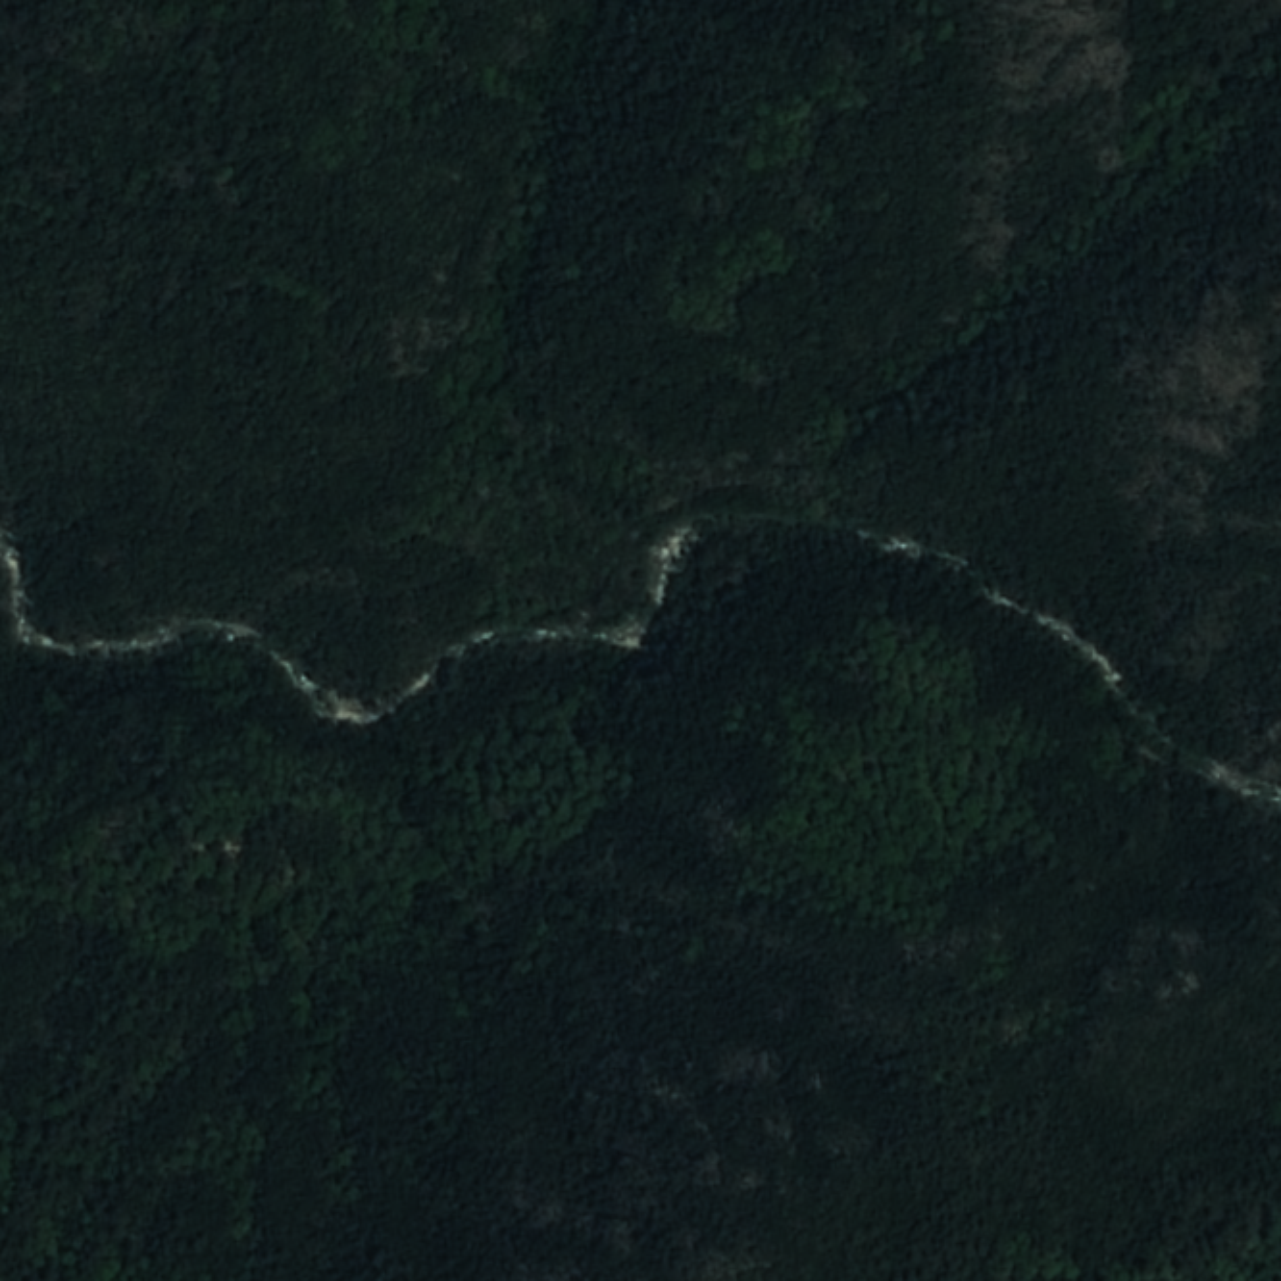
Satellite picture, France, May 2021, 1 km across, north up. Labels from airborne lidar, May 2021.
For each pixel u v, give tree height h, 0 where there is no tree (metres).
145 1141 12
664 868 10
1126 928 12
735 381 17
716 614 16
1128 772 17
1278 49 11
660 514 11
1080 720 11
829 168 19
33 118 14
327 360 9
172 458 14
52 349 11
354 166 10
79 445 9
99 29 11
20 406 8
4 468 10
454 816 18
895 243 16
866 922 10
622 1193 7
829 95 9
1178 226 9
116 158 8
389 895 22
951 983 7
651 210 12
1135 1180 12
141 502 18
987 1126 20
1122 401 8
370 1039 13
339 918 24
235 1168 22
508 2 14
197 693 14
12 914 13
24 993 12
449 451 15
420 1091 14
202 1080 16
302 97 13
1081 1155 13
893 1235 7
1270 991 9
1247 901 9
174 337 15
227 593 19
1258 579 8
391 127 16
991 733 17
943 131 16
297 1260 11
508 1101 9
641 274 13
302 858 18
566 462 23
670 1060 10
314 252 16
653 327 12
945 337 10
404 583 14
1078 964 13
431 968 14
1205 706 9
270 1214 11
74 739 17
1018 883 11
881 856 21
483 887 11
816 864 11
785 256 9
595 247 13
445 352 7
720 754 10
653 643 18
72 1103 21
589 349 7
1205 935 7
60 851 9
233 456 17
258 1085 17
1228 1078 19
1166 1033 8
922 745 19
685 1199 9
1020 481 25
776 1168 8
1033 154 8
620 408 12
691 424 17
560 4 6
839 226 12
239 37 11
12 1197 9
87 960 12
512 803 14
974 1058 8
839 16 14
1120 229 14
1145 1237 8
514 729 12
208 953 15
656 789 9
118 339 17
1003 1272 13
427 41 19
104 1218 20
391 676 11
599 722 20
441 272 9
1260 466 9
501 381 12
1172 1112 7
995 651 12
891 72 8
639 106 16
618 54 19
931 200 11
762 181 10
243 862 10
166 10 17
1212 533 6
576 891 13
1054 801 9
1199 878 7
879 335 14
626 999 9
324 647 14
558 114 22
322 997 17
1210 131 14
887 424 18
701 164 12
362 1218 13
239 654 11
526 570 9
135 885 11
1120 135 10
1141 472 8
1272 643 11
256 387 11
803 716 12
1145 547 6
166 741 19
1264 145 12
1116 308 9
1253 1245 15
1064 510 15
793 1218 7
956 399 19
